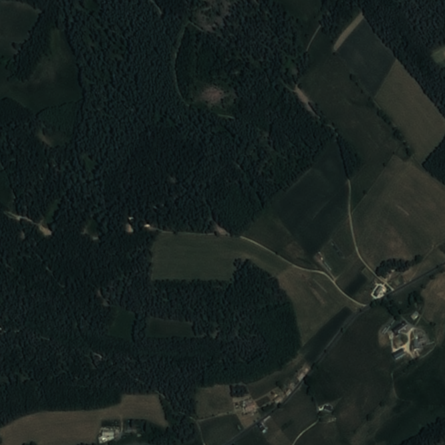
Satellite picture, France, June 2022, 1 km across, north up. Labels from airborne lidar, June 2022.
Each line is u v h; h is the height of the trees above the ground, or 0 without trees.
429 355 0
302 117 14
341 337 0
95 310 19
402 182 0
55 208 0
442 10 20
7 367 14
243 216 21
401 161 0
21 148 27
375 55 0
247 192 30
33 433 0
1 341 19
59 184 27
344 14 19
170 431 12
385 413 0
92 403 17
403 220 0
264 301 19
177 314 15
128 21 27
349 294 0
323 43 0
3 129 10
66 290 17
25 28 0
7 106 21
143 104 23
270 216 0
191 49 13
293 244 0
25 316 19
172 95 27
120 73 26
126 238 21
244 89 24
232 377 29
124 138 30
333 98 0
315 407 0
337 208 0
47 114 18
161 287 14
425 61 21
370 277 0
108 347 22
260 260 0
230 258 0
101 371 14
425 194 0
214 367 23
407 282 0
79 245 22
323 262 0
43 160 30
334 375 0
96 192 33
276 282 13
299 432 0
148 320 22
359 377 0
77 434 0
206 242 0
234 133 32
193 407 17
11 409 18
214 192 30
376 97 0
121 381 20
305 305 0
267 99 23
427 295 0
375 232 0
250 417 0
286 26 29
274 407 14
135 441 0
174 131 29
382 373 0
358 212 0
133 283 12
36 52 15
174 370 22
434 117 0
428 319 0
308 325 0
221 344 15
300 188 0
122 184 28
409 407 0
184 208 28
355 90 0
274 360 29
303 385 0
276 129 23
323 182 0
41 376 19
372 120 0
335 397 0
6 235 28
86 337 21
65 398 18
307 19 0
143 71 26
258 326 20
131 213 30
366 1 15
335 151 0
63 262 17
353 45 0
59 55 0
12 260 29
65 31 6
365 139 0
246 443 0
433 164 22
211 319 16
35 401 21
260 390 0
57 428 0
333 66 0
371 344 0
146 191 31
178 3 27
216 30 18
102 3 14
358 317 0
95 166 0
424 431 19
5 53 0
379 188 0
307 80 0
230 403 0
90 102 23
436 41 16
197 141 36
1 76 0
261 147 15
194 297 18
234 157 31
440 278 0
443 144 14
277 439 0
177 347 20
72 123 14
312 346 0
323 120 10
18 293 17
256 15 7
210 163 35
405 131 0
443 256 0
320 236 0
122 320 0
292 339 18
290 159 15
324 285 0
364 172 0
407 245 0
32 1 24
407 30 21
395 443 0
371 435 0
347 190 0
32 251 19
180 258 0
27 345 17
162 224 29
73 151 10
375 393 0
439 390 0
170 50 31
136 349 20
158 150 26
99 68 29
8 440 0
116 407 0
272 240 0
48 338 20
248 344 18
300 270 0
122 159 28
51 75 0
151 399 0
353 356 0
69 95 0
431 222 0
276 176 8
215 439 0
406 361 0
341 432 0
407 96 0
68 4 25
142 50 30
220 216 19
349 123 0
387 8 23
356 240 0
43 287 17
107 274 21
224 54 22
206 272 0
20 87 0
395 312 21
